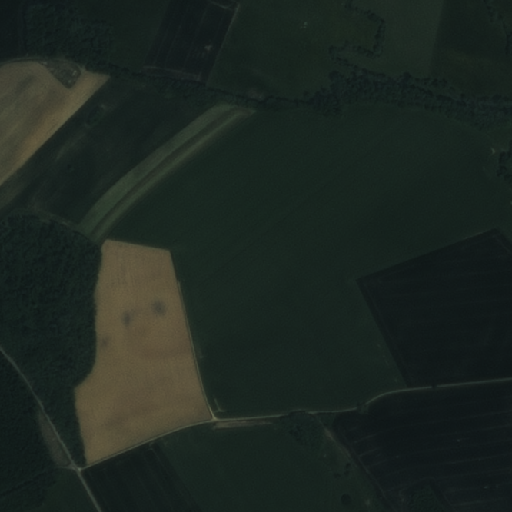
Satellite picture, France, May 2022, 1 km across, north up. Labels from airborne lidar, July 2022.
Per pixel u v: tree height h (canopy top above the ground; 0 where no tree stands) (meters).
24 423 19
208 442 0
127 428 0
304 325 0
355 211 0
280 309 0
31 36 18
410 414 0
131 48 0
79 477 0
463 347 0
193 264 0
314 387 0
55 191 0
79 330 21
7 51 0
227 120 0
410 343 0
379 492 0
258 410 0
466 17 0
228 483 0
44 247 28
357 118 0
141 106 0
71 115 0
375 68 0
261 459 0
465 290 0
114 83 0
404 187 0
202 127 0
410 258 0
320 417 11
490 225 0
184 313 0
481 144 0
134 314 0
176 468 0
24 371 22
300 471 0
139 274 0
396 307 0
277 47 0
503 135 0
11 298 15
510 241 0
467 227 0
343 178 0
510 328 0
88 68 22
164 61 0
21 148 0
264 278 0
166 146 0
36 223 21
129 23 0
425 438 0
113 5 0
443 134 0
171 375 0
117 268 0
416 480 0
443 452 0
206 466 0
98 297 0
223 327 0
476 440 0
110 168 0
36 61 0
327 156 0
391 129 0
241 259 0
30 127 0
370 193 0
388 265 0
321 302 0
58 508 0
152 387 0
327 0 0
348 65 12
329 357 0
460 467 0
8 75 0
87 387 0
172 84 18
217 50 0
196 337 0
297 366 0
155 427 0
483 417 0
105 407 0
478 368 0
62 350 28
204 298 0
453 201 0
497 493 0
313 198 0
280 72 0
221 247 0
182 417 0
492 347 0
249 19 0
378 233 0
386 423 0
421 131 0
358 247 0
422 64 0
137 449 0
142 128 0
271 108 13
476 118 20
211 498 0
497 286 0
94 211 0
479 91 0
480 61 0
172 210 0
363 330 0
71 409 22
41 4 16
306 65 0
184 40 0
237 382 0
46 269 14
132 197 0
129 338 0
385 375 0
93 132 0
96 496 0
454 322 0
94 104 0
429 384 0
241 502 0
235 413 0
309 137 0
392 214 0
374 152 0
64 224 0
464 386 0
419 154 0
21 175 0
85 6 0
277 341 0
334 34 0
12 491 16
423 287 0
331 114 25
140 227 0
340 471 0
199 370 0
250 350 0
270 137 0
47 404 22
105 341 0
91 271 26
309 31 0
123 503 0
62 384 27
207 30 0
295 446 0
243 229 0
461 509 0
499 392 0
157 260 0
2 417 21
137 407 0
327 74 0
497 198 0
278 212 0
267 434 0
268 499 0
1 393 20
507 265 0
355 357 0
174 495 0
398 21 0
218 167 0
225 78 0
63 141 0
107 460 0
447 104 23
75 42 23
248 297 0
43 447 23
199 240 0
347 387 0
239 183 0
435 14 0
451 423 0
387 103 20
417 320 0
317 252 0
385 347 0
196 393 0
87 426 0
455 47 0
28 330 25
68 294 26
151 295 0
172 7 0
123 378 0
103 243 0
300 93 0
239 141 0
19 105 0
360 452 0
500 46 0
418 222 0
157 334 0
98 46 19
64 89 0
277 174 0
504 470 0
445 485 0
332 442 0
